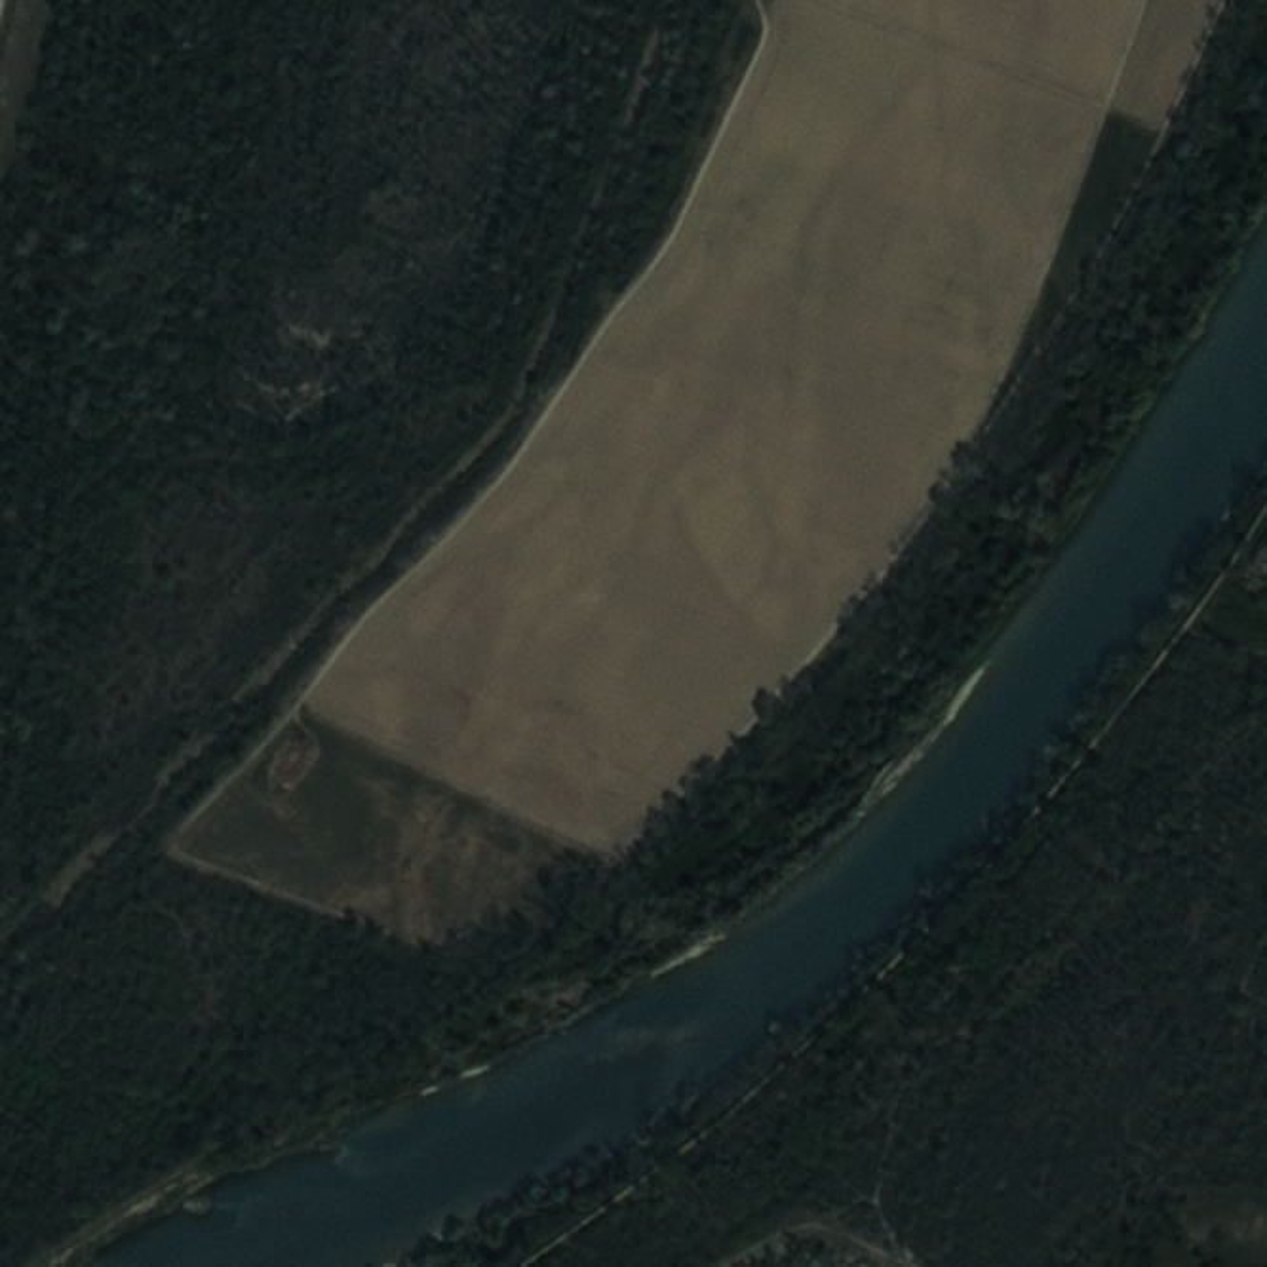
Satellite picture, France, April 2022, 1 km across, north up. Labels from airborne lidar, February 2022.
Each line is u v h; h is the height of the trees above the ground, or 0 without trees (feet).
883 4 0
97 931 27
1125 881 33
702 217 0
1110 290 58
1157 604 0
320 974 46
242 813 0
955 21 0
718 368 0
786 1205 50
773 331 0
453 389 40
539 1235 52
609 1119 0
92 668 38
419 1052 97
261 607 0
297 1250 0
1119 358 93
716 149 0
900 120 0
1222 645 56
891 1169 33
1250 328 0
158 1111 28
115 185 58
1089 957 41
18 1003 52
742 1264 0
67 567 22
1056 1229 38
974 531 62
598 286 38
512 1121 0
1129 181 0
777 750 71
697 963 0
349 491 34
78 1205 65
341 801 0
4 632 41
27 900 27
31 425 62
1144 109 0
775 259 0
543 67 50
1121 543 0
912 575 50
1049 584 0
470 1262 71
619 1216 50
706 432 0
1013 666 0
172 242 53
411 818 0
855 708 32
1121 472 0
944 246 0
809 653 0
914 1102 34
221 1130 55
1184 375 0
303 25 24
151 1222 0
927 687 56
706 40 34
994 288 0
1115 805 24
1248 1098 44
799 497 0
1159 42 0
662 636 0
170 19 43
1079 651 0
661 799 0
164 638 33
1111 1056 0
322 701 0
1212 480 0
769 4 0
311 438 48
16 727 24
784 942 0
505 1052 23
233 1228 0
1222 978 59
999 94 0
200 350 21
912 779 0
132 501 34
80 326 26
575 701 0
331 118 33
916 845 0
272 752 0
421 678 0
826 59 0
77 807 59
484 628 0
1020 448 83
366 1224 0
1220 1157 31
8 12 0
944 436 0
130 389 47
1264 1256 0
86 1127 50
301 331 0
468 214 37
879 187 0
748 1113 50
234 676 0
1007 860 65
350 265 0
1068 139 0
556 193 73
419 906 0
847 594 0
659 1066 0
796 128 0
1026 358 0
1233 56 63
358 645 0
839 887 0
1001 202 0
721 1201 25
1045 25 0
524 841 0
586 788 0
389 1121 0
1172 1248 0
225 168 19
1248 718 39
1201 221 102
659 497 0
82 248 48
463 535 0
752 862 36
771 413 0
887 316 0
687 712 0
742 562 0
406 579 0
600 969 33
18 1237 34
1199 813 51
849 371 0
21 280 73
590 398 0
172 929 34
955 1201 36
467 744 0
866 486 0
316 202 33
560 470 0
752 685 0
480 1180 0
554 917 55
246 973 29
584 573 0
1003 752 0
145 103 63
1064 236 0
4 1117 27
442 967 47
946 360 0
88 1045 47
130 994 36
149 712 0
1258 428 0
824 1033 53
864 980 38
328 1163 0
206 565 0
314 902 0
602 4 55
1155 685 39
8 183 24
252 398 0
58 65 53
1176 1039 38
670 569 0
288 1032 49
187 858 0
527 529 0
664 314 0
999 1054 40
